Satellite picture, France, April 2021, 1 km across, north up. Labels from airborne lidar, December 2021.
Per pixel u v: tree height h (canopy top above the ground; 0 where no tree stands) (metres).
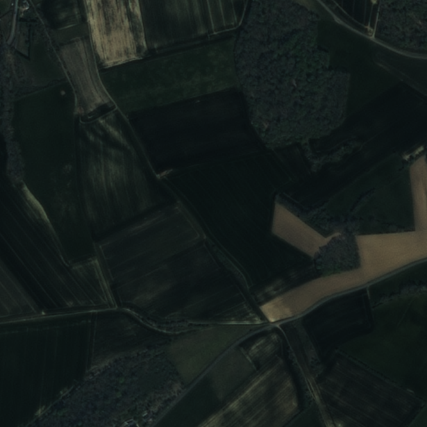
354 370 0
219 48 0
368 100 0
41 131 0
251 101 16
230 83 0
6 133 24
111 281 0
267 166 0
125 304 0
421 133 0
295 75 26
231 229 0
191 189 0
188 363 0
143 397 7
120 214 0
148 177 0
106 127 0
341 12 0
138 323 0
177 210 0
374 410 0
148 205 0
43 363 0
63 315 0
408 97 0
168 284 0
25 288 0
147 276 0
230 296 0
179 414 0
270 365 0
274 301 0
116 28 0
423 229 0
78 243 0
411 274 0
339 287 0
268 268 0
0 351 0
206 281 0
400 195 0
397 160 0
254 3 14
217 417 0
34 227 0
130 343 0
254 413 0
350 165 0
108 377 15
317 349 0
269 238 0
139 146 0
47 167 0
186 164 0
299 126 24
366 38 0
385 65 0
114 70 0
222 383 0
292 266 0
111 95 0
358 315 0
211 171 0
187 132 0
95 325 0
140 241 0
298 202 0
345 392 0
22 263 0
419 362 0
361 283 0
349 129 0
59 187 0
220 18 0
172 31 0
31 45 10
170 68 0
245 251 0
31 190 0
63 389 0
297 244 0
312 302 0
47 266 0
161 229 0
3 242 0
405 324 0
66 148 0
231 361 0
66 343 0
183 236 0
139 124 0
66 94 0
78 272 0
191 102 0
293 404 0
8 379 0
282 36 15
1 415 0
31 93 6
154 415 12
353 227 23
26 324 0
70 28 0
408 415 0
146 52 0
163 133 0
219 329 0
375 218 9
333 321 0
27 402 0
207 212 0
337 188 0
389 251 0
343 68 0
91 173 0
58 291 0
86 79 0
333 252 24
